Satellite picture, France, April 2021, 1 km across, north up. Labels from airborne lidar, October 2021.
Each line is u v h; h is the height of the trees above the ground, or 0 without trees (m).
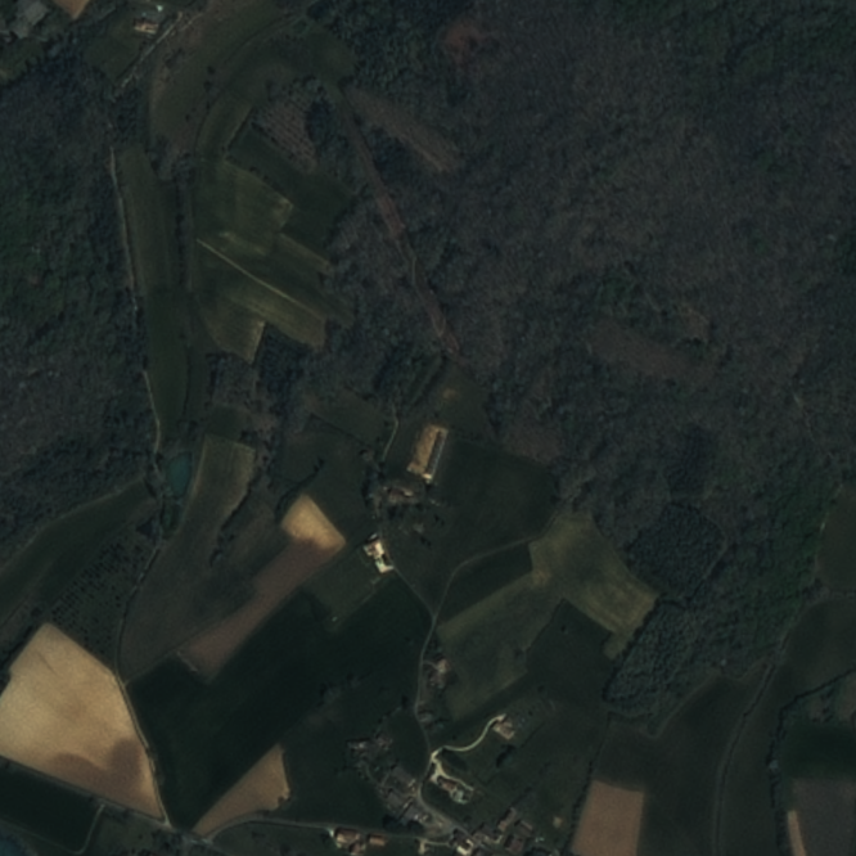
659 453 23
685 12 28
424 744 0
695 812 0
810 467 20
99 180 17
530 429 20
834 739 0
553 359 11
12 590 0
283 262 0
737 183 19
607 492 15
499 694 0
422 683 0
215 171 0
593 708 0
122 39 0
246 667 0
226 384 20
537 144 20
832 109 21
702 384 19
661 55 19
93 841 0
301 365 17
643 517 23
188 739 0
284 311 0
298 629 0
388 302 17
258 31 0
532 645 0
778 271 21
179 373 0
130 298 13
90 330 23
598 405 17
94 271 9
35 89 15
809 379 16
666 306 20
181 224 14
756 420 17
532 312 18
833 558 0
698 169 22
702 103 26
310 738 0
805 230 20
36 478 20
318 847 0
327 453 0
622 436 21
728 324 20
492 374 19
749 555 25
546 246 18
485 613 0
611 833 0
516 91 18
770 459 25
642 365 19
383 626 0
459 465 0
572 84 19
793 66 21
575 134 21
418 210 18
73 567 0
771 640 21
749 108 20
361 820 0
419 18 14
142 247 0
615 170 22
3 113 16
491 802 0
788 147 29
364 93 21
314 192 0
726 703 0
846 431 26
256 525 0
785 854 6
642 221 23
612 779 0
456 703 0
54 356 18
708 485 17
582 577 0
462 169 23
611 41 21
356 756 11
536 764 0
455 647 0
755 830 0
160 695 0
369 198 13
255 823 0
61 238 15
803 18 20
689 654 13
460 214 21
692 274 21
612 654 0
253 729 0
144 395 16
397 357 20
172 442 13
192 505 0
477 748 0
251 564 0
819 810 0
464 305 22
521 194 26
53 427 17
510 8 19
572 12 20
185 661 0
